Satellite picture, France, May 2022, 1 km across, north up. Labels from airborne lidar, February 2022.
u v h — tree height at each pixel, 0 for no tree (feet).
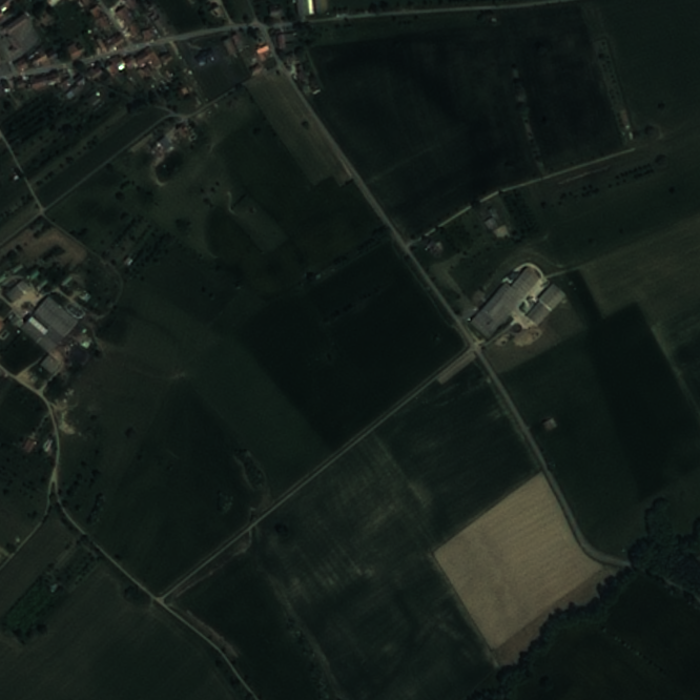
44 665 0
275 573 0
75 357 0
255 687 0
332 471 0
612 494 0
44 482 28
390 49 0
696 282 0
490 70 0
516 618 0
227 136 0
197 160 0
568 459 0
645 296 0
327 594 0
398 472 0
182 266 0
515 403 0
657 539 68
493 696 62
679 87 0
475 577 0
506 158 0
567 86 0
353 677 0
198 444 0
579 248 0
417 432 0
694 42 0
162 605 0
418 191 0
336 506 0
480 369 0
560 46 0
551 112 0
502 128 0
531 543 0
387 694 0
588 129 0
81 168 0
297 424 0
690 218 0
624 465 0
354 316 0
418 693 0
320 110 0
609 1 0
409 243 0
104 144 0
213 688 0
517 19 0
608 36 0
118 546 0
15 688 0
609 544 0
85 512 0
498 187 0
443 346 0
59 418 0
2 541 0
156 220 0
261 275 0
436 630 0
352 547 0
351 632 0
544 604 0
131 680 0
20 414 0
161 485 0
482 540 0
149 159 0
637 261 0
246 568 0
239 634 0
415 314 0
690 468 0
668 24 0
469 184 0
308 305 0
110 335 0
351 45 0
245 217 0
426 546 0
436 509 0
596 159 0
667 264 0
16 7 0
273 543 0
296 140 0
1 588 0
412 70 0
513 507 0
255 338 0
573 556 0
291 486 0
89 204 0
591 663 0
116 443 0
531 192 0
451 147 0
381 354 0
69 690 0
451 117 0
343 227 0
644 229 0
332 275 0
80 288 0
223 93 0
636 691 0
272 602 0
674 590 38
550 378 0
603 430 0
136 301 0
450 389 0
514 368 0
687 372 0
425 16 0
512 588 0
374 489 0
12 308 0
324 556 0
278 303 0
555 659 0
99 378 0
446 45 0
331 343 0
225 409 0
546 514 0
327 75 0
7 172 0
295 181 0
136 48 0
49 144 0
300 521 0
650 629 0
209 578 0
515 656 0
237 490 0
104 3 0
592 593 0
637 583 0
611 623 0
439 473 0
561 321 0
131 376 0
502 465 0
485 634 0
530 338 0
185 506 0
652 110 0
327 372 0
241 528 0
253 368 0
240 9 0
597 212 0
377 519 0
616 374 0
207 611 0
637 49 0
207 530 0
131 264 21
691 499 0
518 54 0
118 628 0
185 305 0
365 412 0
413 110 0
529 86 0
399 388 0
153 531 0
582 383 0
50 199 0
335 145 0
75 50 0
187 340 0
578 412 0
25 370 0
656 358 0
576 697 0
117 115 0
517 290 0
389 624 0
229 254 0
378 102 0
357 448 0
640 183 0
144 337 0
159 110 0
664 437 0
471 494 0
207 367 0
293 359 0
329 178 0
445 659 0
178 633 0
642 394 0
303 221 0
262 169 0
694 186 0
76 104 0
